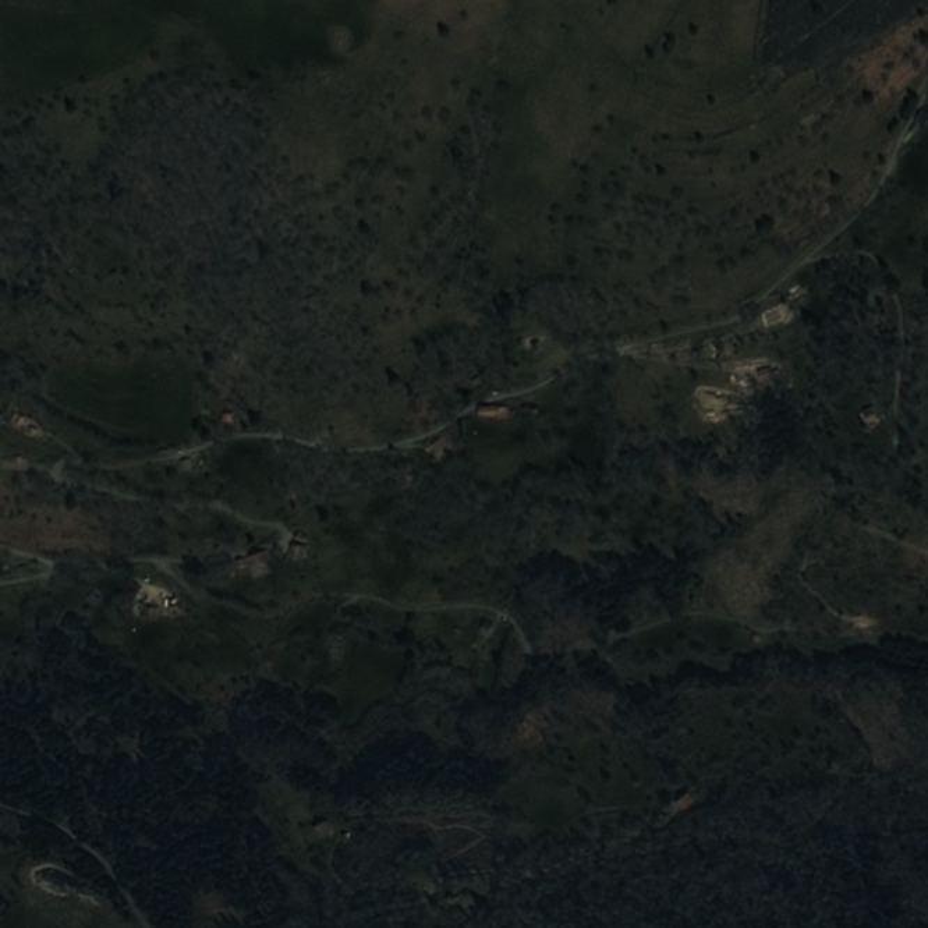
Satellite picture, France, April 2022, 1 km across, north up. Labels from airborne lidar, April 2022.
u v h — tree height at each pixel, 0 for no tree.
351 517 0
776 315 0
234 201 16
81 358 0
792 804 22
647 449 18
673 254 0
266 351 0
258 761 27
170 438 0
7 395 22
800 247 10
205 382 16
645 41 0
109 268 0
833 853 22
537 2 0
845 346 20
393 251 0
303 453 14
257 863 16
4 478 0
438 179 0
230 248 21
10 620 0
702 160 0
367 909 25
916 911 18
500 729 27
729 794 12
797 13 0
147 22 0
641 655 10
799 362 0
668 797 9
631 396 0
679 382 0
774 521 0
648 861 11
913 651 15
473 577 7
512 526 23
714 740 0
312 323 13
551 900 11
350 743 12
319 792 10
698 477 25
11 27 0
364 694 0
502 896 16
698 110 0
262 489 0
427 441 7
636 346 0
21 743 35
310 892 26
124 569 19
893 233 0
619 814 0
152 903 28
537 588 27
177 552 0
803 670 20
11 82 0
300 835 0
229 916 0
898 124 13
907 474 17
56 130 0
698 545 17
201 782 25
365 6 0
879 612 8
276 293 18
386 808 21
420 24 0
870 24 0
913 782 19
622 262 15
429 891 0
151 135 24
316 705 26
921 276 0
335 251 10
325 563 0
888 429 0
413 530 22
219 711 9
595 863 6
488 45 0
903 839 17
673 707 15
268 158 8
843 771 9
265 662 11
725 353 24
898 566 8
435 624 0
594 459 0
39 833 17
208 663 0
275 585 0
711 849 8
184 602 6
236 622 0
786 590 5
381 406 0
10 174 14
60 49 0
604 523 20
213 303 16
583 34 0
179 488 0
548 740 18
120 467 0
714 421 0
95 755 8
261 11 0
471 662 0
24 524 0
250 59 0
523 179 0
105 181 19
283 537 0
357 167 14
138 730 27
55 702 28
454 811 29
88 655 33
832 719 23
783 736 0
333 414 0
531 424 0
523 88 0
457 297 0
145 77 0
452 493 18
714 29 0
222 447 15
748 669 24
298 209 10
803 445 25
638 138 0
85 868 15
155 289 0
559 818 0
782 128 0
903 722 0
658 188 0
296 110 0
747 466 25
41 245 17
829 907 21
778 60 0
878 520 0
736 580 0
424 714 10
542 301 15
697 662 0
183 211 17
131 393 0
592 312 9
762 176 0
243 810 33
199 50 0
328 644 0
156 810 29
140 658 9
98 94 0
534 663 16
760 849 10
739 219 15
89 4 0
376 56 0
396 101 12
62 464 0
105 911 0
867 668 21
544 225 0
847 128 0
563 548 0
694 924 15
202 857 22
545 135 0
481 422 0
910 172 0
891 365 16
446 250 20
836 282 18
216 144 19
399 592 0
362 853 7
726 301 0
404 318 11
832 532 0
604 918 15
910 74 0
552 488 0
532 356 0
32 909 0
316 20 0
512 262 0
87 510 17
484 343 19
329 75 0
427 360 20
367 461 7
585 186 8
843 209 20
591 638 14
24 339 0
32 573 12
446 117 18
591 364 13
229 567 20
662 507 20
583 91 0
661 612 10
